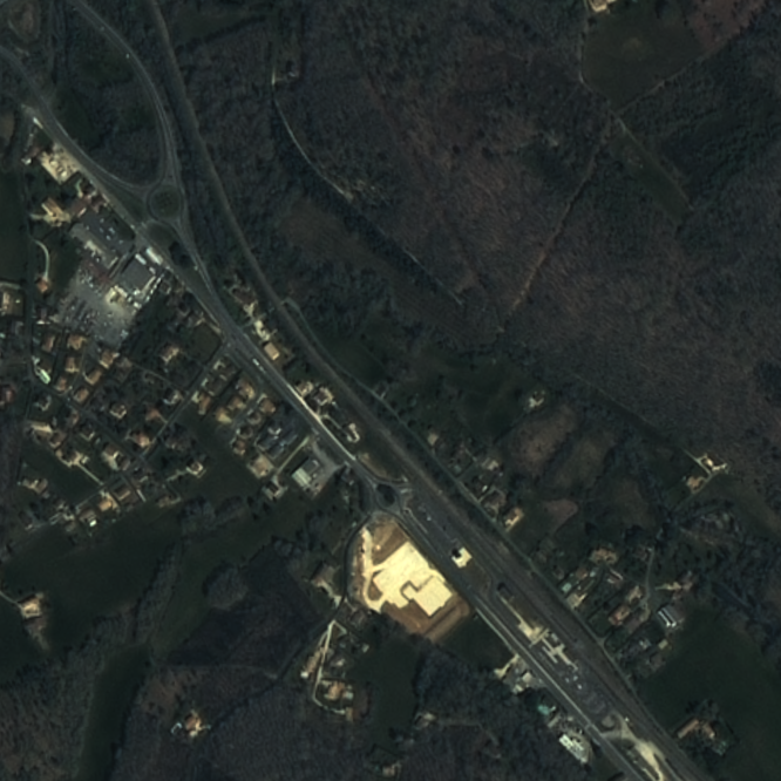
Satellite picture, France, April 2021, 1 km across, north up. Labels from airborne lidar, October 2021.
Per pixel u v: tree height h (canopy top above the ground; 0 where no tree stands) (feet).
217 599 73
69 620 0
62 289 0
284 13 38
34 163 41
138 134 51
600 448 0
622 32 0
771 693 0
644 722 0
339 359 0
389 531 0
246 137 63
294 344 30
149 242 0
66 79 47
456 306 68
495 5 61
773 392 60
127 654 0
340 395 0
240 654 21
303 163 77
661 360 74
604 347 59
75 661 58
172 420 0
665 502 65
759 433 47
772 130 34
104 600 0
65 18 42
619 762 0
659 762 0
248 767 53
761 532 0
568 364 75
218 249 81
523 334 67
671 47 0
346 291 73
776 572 76
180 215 0
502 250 60
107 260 0
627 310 72
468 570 0
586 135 39
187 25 0
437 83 66
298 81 28
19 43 25
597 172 39
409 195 53
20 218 0
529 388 0
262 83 66
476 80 31
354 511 28
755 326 50
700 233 45
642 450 20
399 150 37
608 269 36
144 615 55
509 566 0
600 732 0
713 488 0
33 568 0
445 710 52
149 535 0
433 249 47
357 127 43
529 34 75
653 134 24
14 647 0
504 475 43
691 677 0
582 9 32
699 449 90
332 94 51
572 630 0
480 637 0
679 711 0
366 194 36
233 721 48
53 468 0
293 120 52
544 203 49
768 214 52
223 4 42
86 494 0
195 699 29
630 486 0
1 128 0
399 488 0
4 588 20
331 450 0
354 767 68
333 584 0
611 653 19
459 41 53
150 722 40
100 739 0
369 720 41
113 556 0
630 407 59
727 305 58
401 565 0
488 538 0
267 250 36
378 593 0
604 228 41
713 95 29
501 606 0
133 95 48
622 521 0
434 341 28
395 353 0
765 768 0
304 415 0
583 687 0
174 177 0
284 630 18
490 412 0
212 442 0
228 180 105
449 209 58
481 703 64
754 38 59
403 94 75
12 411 32
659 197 0
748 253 65
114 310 0
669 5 43
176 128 27
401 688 0
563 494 0
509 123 44
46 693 62
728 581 26
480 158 36
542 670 0
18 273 0
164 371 27
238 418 0
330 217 77
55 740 55
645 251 49
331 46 73
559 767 74
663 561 30
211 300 0
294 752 61
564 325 91
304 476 0
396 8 68
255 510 31
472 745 23
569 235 36
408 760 45
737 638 0
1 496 43
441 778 19
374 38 80
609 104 40
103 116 34
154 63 68
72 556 0
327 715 56
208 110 56
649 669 20
